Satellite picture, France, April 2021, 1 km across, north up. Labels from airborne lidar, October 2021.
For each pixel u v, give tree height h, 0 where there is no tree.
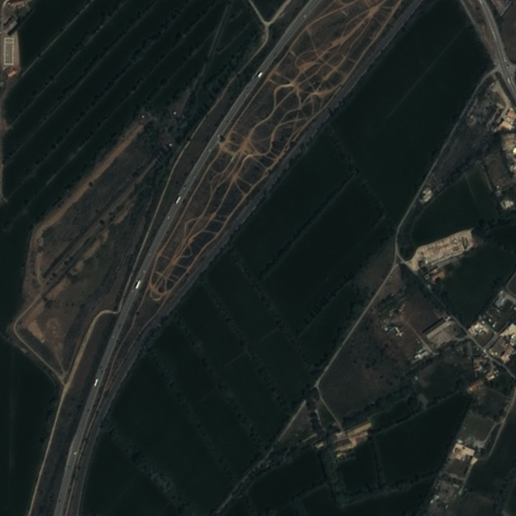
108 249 0
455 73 0
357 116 0
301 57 0
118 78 8
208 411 0
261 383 0
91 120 0
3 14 0
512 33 0
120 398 0
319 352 0
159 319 0
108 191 0
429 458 0
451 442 8
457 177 13
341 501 23
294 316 0
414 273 11
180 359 0
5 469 0
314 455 0
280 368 0
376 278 0
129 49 0
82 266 0
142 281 0
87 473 0
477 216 0
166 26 8
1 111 0
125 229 0
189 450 0
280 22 0
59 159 0
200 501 0
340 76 0
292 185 0
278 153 0
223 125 0
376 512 0
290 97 0
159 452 0
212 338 0
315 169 0
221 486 0
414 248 8
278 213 0
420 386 0
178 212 0
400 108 0
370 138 0
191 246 0
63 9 0
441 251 0
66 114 0
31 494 0
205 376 0
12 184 0
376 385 0
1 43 0
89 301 0
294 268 0
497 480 0
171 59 0
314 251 0
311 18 0
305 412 0
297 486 0
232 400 10
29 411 0
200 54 0
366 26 0
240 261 8
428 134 0
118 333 0
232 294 0
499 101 0
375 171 0
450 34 0
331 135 14
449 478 9
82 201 0
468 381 11
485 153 7
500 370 11
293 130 0
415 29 0
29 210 0
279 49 0
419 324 0
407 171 0
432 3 12
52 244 0
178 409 0
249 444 0
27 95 0
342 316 0
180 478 0
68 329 0
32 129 0
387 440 0
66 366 0
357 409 0
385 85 0
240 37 0
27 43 0
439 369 0
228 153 0
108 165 0
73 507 0
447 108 0
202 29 0
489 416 12
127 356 0
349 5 0
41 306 0
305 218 0
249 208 0
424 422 0
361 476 0
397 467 0
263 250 0
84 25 0
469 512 0
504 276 0
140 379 0
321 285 0
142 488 0
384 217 10
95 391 0
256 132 0
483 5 0
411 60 0
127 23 0
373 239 0
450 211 0
